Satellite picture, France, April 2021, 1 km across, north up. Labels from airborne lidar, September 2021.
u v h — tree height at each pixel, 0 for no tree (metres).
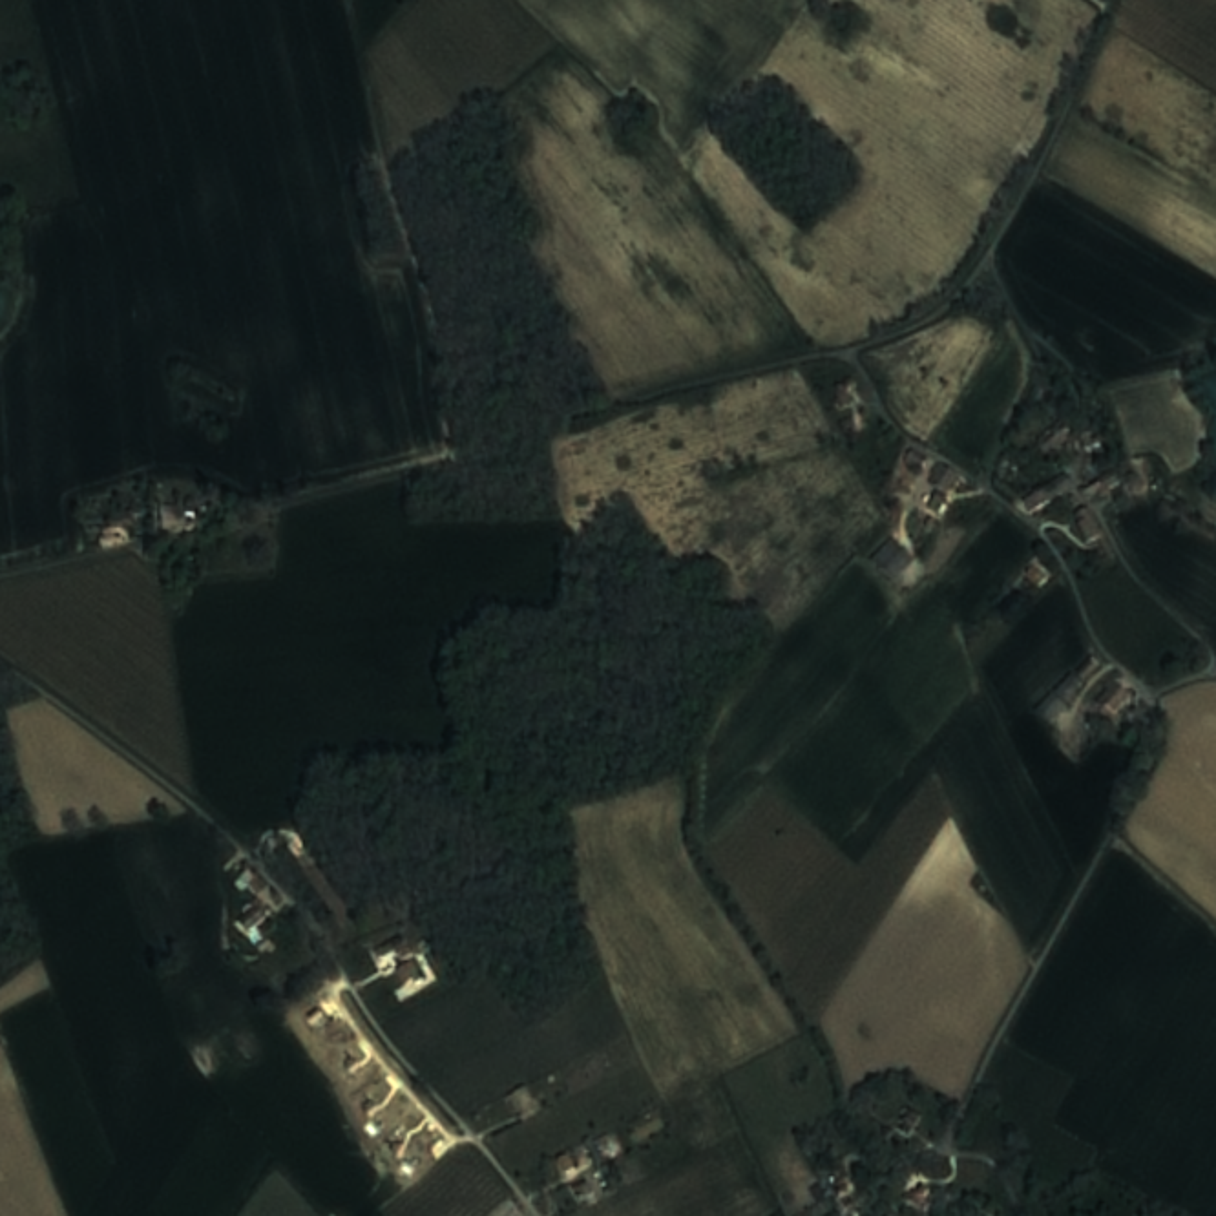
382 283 0
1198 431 0
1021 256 0
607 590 16
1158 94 0
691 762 14
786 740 0
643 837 0
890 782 0
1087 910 0
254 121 0
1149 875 0
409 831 22
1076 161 0
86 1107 0
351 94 0
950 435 0
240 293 0
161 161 0
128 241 0
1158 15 0
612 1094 0
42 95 13
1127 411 0
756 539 0
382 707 0
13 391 0
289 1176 0
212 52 0
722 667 23
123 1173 0
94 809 0
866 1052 0
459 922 18
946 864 0
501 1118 0
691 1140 0
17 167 0
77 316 0
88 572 0
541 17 0
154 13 0
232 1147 0
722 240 0
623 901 0
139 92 0
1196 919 0
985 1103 10
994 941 0
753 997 0
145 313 0
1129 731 10
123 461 0
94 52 0
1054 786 0
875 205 0
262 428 0
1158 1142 0
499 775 26
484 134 19
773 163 19
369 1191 0
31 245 0
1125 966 0
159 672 0
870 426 10
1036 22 0
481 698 24
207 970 0
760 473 14
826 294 0
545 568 0
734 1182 0
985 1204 15
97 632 0
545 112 0
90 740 0
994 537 0
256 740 0
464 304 16
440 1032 0
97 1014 0
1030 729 0
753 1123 0
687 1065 0
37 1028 0
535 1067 0
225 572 0
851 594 0
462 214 20
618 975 0
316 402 0
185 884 0
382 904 11
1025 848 0
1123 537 0
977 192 0
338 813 21
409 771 22
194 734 0
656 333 0
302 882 14
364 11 0
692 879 0
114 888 0
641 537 22
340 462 0
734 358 0
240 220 0
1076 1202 8
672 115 0
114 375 0
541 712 19
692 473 0
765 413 0
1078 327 0
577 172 0
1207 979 0
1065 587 0
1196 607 0
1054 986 0
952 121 0
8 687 19
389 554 0
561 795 24
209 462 0
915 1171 16
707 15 0
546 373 17
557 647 21
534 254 18
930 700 0
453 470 12
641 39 0
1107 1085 0
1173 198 0
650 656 22
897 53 0
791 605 0
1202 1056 0
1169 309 0
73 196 0
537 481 21
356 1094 0
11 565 0
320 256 0
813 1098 0
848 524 0
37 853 0
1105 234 0
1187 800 0
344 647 0
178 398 0
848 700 0
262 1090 0
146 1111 0
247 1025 0
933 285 0
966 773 0
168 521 0
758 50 0
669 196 0
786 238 0
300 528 0
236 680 0
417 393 0
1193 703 0
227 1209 0
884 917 0
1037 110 0
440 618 0
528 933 21
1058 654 0
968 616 0
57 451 0
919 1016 0
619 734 15
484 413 17
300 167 0
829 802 0
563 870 24
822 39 0
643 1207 0
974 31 0
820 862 0
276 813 0
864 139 0
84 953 0
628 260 0
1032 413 15
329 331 0
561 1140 0
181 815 0
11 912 23
